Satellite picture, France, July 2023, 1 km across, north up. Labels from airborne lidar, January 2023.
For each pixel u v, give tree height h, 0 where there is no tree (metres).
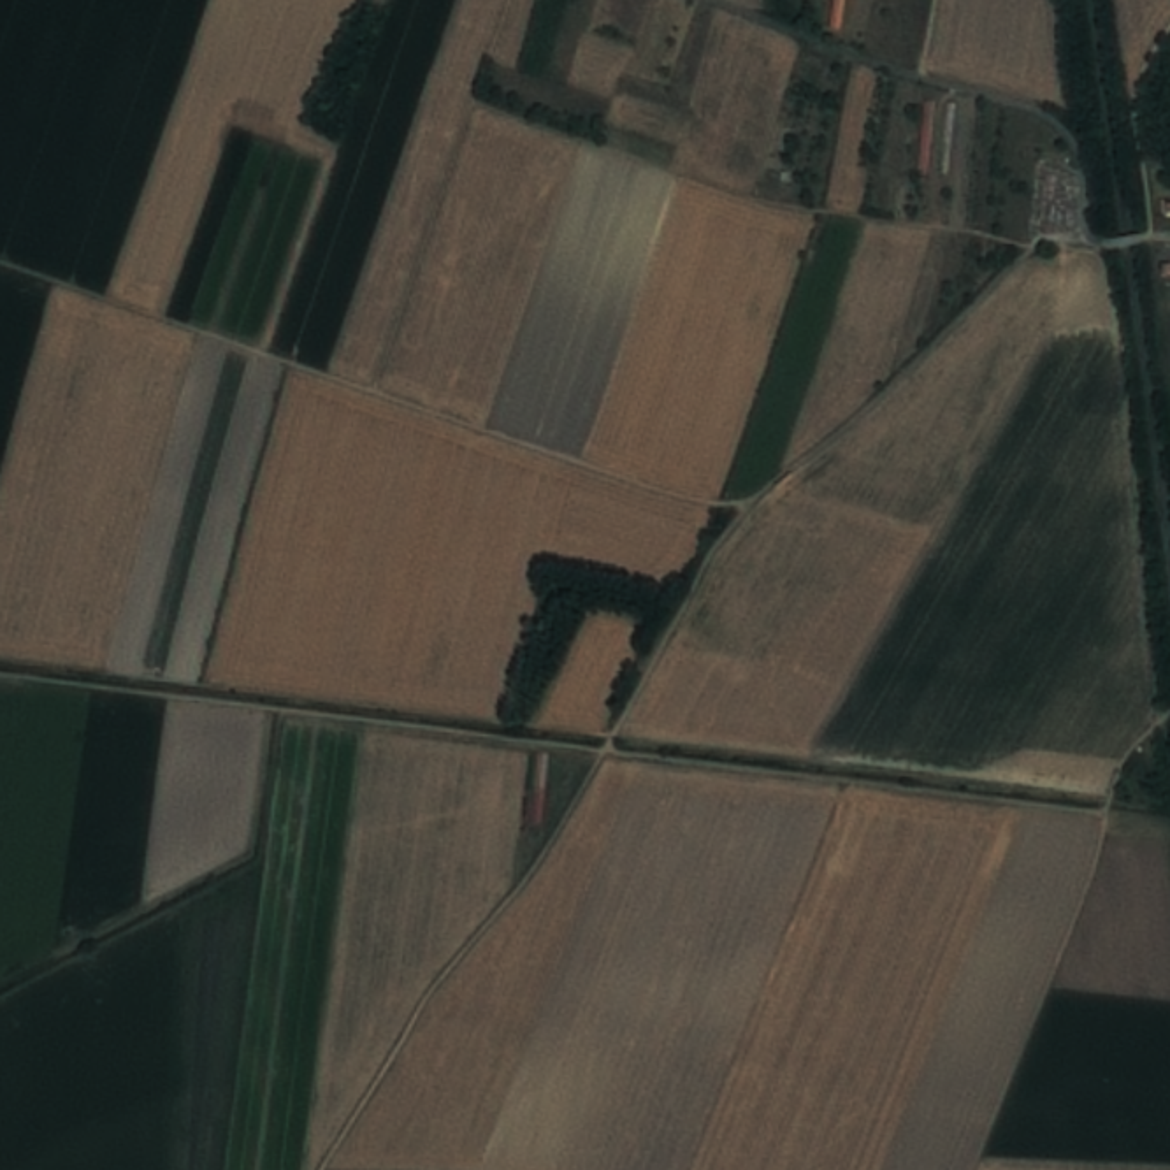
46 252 0
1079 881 0
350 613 0
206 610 0
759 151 0
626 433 0
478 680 0
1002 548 0
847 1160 0
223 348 0
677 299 0
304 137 0
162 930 0
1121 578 0
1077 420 0
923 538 0
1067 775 0
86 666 0
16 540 0
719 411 0
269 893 0
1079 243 0
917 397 0
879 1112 0
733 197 0
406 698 0
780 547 0
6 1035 0
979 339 0
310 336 0
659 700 0
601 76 0
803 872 0
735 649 0
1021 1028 0
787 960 0
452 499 0
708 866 0
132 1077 0
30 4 0
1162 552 6
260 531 0
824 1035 0
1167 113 11
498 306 0
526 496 0
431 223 0
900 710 0
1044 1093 0
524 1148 0
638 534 0
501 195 0
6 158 0
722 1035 0
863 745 0
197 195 0
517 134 0
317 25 0
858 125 0
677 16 0
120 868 0
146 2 0
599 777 0
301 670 0
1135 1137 0
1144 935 0
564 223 0
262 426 0
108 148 0
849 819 0
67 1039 0
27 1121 0
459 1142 0
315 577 0
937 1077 0
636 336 0
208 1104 0
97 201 0
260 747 0
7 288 0
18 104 0
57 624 0
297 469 0
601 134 8
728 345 0
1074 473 0
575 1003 0
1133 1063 0
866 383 0
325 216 0
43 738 0
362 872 0
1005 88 0
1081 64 12
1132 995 0
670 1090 0
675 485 0
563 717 0
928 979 0
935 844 0
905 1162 0
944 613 0
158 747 0
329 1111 0
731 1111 0
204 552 0
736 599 0
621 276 0
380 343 0
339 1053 0
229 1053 0
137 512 0
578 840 0
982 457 0
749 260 0
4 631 0
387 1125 0
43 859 0
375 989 0
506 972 0
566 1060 0
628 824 0
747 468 0
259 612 0
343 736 0
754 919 0
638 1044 0
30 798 0
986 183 0
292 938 0
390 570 0
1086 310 0
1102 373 0
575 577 34
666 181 0
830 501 0
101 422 0
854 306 0
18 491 0
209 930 0
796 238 0
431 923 0
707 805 0
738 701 0
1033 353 0
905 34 0
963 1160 0
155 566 0
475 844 0
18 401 0
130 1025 0
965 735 0
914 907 0
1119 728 0
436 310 0
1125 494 0
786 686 0
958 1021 0
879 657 0
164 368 0
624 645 0
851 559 0
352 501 0
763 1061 0
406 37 0
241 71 0
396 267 0
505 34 0
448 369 0
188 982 0
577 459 0
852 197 0
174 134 0
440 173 0
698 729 0
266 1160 0
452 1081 0
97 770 0
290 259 0
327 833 0
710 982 0
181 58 0
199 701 0
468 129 0
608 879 0
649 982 0
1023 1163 0
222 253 0
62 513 0
